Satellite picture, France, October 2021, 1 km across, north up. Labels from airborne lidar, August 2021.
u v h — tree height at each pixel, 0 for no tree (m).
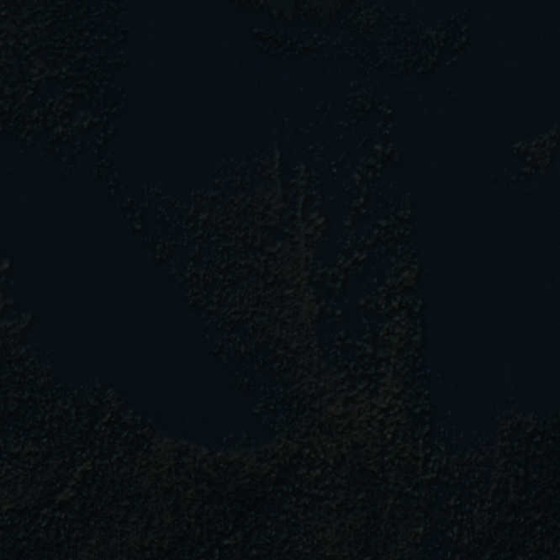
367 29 13
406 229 32
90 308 42
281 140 26
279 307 20
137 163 18
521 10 12
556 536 17
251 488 13
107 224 33
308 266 7
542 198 22
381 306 32
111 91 14
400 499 27
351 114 24
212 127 22
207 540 8
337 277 34
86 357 32
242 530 20
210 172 16
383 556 25
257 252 27
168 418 31
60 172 31
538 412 23
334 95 10
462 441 29
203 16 7
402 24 23
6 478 23
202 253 24
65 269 32
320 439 17
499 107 27
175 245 20
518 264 22
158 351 22
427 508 14
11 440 27
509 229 33
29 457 25
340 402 24
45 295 27
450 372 28
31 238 34
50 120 26
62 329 29
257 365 22
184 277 29
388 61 32
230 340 31
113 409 15
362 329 30
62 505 6
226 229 18
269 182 13
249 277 20
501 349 14
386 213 29
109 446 20
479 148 32
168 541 17
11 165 32
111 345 24
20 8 28
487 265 21
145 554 25
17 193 35
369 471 20
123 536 22
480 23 11
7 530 16
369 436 26
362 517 26
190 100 21
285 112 23
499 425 14
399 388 28
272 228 13
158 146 16
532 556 14
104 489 16
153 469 21
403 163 28
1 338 17
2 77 30
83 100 20
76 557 19
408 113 36
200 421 30
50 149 27
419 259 34
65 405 25
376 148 31
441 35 25
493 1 6
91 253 32
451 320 15
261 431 22
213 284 26
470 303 30
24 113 30
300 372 18
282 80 18
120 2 37
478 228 29
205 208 24
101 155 30
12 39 33
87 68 40
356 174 29
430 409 30
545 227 16
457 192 23
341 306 16
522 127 28
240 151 24
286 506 26
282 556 12
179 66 24
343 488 25
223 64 8
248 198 21
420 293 20
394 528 28
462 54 27
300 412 19
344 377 25
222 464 16
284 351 24
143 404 30
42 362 22
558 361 20
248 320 25
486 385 19
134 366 28
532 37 17
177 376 34
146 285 27
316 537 19
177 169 26
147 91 19
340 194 21
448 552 24
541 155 27
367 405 27
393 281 38
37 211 30
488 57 13
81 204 29
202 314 30
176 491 20
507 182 24
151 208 24
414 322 32
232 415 31
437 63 11
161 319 32
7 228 32
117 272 32
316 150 28
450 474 14
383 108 34
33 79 30
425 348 14
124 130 29
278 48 31
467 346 17
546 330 18
